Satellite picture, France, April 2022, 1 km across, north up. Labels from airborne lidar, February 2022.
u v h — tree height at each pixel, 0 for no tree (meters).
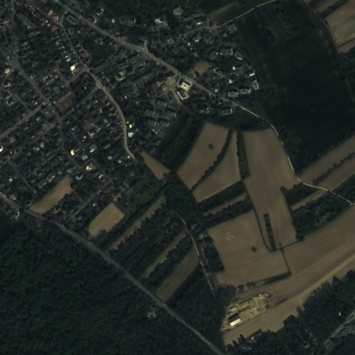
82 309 28
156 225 16
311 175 0
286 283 0
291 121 0
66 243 27
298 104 0
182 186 14
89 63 7
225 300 12
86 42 8
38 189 9
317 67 0
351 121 0
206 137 0
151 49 15
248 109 0
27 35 0
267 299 0
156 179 13
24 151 9
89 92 14
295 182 0
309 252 0
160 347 28
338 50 0
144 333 27
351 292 0
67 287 23
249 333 0
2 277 28
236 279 0
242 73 0
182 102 12
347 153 0
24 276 28
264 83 0
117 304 22
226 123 21
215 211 0
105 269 21
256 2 0
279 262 0
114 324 23
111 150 8
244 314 0
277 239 0
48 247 27
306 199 0
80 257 28
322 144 0
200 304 18
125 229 15
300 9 0
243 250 0
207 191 0
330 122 0
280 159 0
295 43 0
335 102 0
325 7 0
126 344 26
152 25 6
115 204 0
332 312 17
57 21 0
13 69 0
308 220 0
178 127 0
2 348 28
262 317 0
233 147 0
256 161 0
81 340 24
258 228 0
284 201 0
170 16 7
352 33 0
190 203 9
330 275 0
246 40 0
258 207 0
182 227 18
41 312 24
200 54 17
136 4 14
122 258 16
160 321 25
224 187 0
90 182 13
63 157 0
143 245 7
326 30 0
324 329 18
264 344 23
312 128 0
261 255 0
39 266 30
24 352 28
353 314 0
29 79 0
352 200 12
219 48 0
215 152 0
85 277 18
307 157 0
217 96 0
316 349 19
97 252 0
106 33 0
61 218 0
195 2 5
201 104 16
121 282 30
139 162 10
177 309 12
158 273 11
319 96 0
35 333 23
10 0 7
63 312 31
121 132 0
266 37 6
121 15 14
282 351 17
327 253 0
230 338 0
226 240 0
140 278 23
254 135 0
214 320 19
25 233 22
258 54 0
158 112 9
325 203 16
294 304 0
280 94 0
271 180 0
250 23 0
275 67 0
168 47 15
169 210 18
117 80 7
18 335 27
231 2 0
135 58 0
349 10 0
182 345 26
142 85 0
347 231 0
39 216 0
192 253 0
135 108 9
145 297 15
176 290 0
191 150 11
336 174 0
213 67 9
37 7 0
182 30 7
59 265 24
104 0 17
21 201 14
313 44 0
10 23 8
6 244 17
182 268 0
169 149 6
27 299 24
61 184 0
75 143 6
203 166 0
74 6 11
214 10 0
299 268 0
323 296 21
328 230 0
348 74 7
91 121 0
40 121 0
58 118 0
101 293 22
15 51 0
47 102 0
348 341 15
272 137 0
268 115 0
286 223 0
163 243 7
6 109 6
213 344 22
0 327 32
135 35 11
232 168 0
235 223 0
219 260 15
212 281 0
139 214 13
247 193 0
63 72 11
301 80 0
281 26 0
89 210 0
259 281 0
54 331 26
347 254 0
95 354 29
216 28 0
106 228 0
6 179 0
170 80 0
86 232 12
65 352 21
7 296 28
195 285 18
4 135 0
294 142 0
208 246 0
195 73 0
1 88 0
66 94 0
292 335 8
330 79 0
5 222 0
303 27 0
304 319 21
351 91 0
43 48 16
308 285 0
